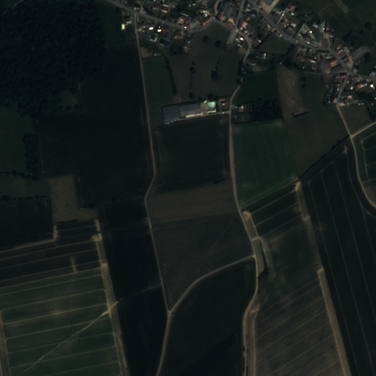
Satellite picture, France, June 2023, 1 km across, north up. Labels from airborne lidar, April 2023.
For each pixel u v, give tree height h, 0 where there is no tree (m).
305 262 0
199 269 0
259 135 0
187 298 0
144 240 0
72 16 23
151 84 0
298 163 0
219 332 0
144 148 0
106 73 0
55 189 0
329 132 0
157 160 0
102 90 0
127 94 0
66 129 0
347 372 0
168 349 0
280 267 0
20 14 24
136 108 0
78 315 0
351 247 0
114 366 0
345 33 0
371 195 0
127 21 0
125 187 0
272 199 0
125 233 0
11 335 0
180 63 0
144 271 0
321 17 0
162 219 0
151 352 0
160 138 0
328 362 0
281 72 0
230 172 0
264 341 0
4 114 0
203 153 0
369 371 0
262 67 0
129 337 0
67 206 0
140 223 0
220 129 0
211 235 0
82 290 0
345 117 0
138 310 0
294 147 0
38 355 0
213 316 0
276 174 0
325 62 0
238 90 0
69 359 0
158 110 0
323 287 0
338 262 0
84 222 0
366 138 0
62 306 0
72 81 25
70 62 22
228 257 0
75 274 0
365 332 0
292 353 0
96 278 0
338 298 0
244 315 0
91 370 0
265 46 0
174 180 0
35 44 26
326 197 0
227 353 0
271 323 0
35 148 20
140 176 0
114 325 0
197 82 0
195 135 0
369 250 0
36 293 0
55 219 0
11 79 25
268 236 0
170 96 0
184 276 0
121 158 0
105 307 0
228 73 0
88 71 22
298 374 0
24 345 0
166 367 0
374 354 0
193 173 0
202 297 0
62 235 0
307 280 0
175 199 0
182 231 0
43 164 0
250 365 0
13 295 0
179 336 0
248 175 0
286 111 0
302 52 0
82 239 0
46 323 0
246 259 0
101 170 0
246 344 0
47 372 0
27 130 0
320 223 0
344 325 0
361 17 0
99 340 0
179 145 0
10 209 0
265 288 0
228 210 0
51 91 27
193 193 0
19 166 0
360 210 0
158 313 0
